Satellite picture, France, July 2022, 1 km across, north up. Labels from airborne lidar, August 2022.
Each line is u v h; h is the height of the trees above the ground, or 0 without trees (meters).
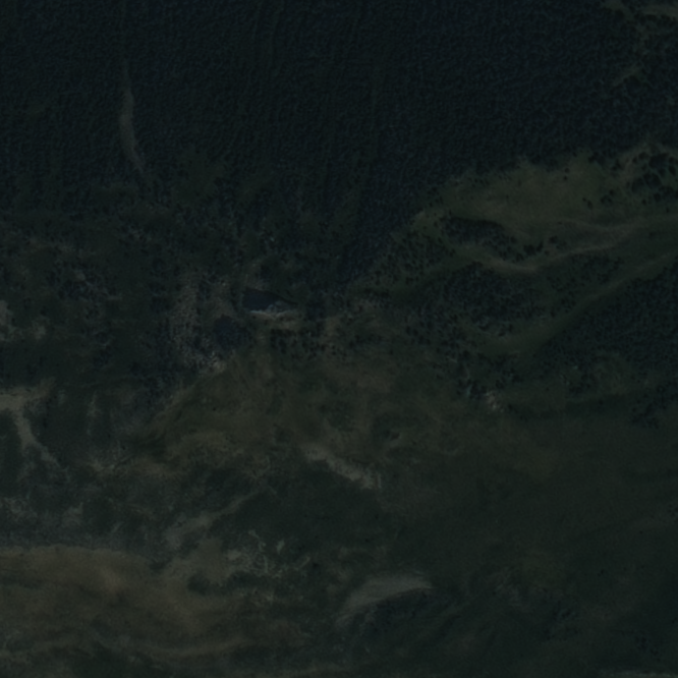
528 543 0
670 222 0
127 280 0
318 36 19
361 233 11
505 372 10
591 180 0
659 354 14
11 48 12
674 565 0
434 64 15
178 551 0
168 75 10
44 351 0
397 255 9
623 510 0
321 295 11
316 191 9
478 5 29
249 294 0
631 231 0
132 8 11
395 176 16
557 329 0
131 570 0
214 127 7
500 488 0
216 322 0
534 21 19
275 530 0
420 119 12
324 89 9
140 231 5
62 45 12
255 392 0
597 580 0
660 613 0
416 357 0
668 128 15
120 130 8
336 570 0
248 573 0
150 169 9
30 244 10
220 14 9
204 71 8
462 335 9
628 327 7
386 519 0
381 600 0
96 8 11
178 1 9
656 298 19
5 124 10
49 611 0
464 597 0
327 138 12
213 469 0
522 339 0
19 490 0
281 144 10
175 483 0
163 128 8
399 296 0
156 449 0
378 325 0
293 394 0
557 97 29
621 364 0
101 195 0
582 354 11
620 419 0
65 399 0
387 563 0
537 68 28
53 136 7
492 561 0
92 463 0
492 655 0
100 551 0
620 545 0
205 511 0
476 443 0
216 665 0
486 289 8
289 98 12
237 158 10
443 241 13
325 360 0
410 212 11
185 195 0
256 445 0
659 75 15
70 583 0
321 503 0
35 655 0
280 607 0
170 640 0
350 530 0
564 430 0
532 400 0
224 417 0
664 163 23
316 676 0
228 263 0
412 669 0
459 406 0
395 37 10
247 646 0
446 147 14
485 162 12
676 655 0
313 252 0
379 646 0
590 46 26
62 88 9
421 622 0
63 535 0
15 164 15
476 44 22
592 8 24
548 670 0
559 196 0
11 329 0
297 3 25
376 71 9
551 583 0
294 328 0
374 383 0
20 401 0
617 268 6
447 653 0
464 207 0
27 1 11
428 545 0
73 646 0
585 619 0
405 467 0
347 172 9
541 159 11
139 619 0
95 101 9
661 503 0
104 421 0
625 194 0
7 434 0
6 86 8
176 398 0
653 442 0
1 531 0
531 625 0
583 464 0
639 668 0
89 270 9
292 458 0
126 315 0
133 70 11
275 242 6
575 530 0
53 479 0
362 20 14
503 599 0
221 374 0
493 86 23
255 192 0
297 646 0
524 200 0
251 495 0
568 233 0
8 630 0
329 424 0
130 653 0
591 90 14
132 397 0
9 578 0
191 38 12
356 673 0
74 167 8
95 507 0
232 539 0
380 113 8
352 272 11
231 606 0
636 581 0
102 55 11
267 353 0
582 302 0
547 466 0
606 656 0
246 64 9
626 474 0
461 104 16
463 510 0
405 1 12
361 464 0
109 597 0
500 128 13
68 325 0
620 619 0
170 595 0
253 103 9
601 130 19
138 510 0
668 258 0
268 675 0
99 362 10
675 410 0
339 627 0
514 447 0
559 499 0
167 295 0
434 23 18
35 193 6
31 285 0
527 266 0
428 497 0
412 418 0
